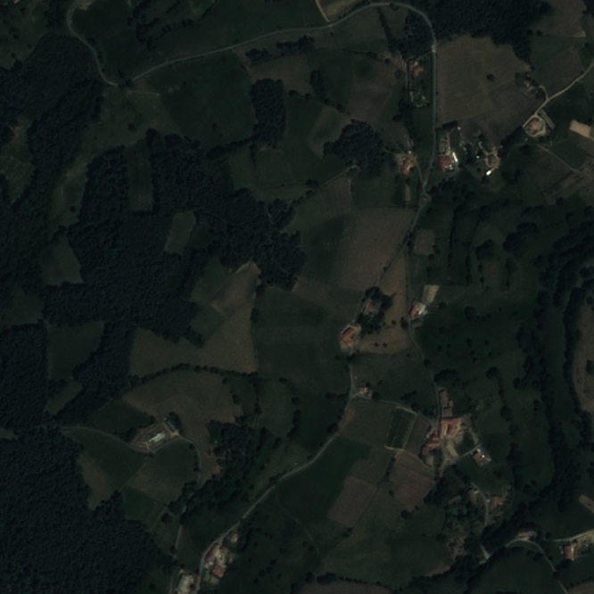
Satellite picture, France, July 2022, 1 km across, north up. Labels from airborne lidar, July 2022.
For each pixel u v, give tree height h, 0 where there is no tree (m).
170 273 16
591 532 0
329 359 0
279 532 0
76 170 0
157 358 0
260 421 0
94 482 0
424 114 0
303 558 0
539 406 13
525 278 0
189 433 0
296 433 19
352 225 0
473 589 13
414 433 0
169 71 0
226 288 0
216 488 19
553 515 0
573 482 16
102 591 22
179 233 0
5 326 7
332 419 0
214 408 0
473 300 0
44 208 20
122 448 0
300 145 0
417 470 0
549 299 26
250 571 0
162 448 0
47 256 0
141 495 0
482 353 0
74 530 22
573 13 0
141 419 0
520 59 7
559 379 0
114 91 0
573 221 22
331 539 0
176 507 18
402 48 12
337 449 0
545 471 0
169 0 0
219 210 23
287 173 0
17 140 0
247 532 6
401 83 0
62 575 21
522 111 0
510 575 0
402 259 0
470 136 0
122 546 22
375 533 0
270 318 0
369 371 0
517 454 20
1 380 29
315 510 0
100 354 16
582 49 0
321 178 0
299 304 0
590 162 0
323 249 0
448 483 11
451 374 17
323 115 0
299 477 0
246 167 0
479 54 0
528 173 0
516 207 0
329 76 0
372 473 0
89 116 14
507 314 0
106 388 11
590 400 0
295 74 0
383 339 0
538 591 0
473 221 0
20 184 0
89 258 12
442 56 0
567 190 0
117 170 18
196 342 10
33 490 26
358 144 15
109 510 20
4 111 22
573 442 0
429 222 0
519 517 18
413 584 11
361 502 0
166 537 0
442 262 0
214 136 0
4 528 8
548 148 0
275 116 15
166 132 0
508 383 0
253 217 14
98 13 0
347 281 0
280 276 11
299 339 0
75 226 9
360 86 0
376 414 0
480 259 9
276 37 0
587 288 12
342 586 0
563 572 13
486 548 21
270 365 0
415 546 0
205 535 0
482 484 0
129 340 19
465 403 0
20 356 27
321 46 0
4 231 21
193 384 0
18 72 22
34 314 0
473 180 0
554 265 19
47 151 23
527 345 20
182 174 29
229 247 17
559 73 0
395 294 0
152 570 16
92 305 19
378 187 0
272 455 0
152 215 19
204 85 0
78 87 20
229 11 0
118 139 0
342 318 0
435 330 0
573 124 0
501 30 20
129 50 0
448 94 0
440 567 0
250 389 0
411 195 0
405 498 0
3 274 12
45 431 14
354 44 0
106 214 20
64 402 0
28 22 0
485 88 0
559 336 0
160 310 23
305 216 0
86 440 0
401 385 0
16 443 19
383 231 0
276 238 15
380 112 0
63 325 17
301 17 0
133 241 21
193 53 0
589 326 0
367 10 0
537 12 22
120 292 23
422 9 9
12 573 18
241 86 0
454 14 18
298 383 0
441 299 0
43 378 26
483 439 0
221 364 0
